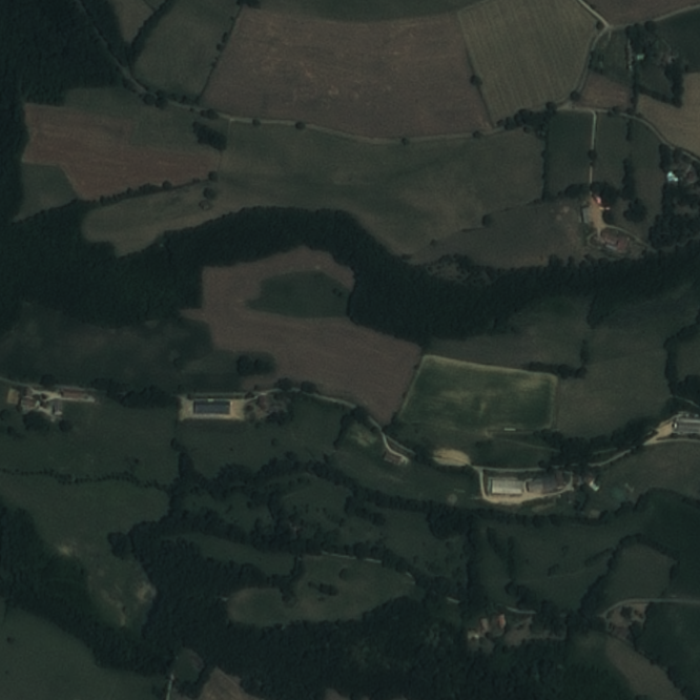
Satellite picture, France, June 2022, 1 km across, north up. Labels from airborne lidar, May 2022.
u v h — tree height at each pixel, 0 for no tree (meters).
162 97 12
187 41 0
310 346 0
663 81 0
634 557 0
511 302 13
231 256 17
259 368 20
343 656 20
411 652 13
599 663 0
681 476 0
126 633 6
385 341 0
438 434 0
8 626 0
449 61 0
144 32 16
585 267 14
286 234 21
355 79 0
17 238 14
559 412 0
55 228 14
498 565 0
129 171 0
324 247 18
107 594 0
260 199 0
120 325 7
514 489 0
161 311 11
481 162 0
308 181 0
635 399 0
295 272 0
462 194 0
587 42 0
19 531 14
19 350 0
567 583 0
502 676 10
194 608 16
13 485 0
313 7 0
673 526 0
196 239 17
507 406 0
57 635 0
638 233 0
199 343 0
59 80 20
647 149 0
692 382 18
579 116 0
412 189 0
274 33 0
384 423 0
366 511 16
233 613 0
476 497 0
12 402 0
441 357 0
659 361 0
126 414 0
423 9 0
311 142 0
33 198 0
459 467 8
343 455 0
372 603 0
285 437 0
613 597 0
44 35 27
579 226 0
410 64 0
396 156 0
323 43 0
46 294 21
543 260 0
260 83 0
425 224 0
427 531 0
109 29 16
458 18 0
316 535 9
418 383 0
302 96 0
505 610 7
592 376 0
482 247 0
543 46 0
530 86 0
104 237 0
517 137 0
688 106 0
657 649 0
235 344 0
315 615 0
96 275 15
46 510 0
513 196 0
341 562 0
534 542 0
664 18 0
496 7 0
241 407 0
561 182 0
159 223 0
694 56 0
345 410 6
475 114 0
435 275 5
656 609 18
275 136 0
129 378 0
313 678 19
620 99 0
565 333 0
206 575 24
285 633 27
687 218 11
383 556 15
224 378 0
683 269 12
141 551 23
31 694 0
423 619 13
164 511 0
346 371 0
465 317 9
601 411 0
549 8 0
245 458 0
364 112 0
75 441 0
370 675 16
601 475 10
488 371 0
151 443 0
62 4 16
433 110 0
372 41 0
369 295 21
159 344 0
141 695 0
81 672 0
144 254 7
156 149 0
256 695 11
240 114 0
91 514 0
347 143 0
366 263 21
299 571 12
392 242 0
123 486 0
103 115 0
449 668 17
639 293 13
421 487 0
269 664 15
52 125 0
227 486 15
